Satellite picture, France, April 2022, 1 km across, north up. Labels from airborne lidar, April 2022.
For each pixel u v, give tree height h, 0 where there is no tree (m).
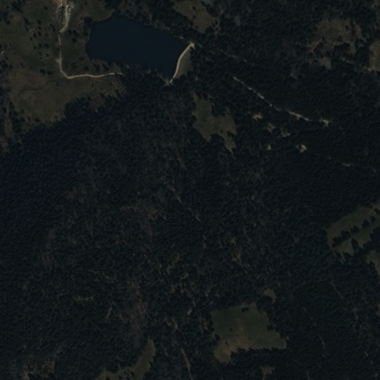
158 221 12
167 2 22
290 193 29
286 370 18
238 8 7
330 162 24
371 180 23
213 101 15
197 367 14
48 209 11
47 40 0
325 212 26
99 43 0
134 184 18
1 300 17
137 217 19
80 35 12
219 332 0
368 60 23
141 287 18
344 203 23
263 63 14
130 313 18
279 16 15
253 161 31
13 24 0
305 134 27
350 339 18
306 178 27
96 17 0
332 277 22
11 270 16
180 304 24
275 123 18
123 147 17
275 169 20
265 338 0
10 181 9
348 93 21
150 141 26
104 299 9
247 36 15
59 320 27
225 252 14
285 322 25
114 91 0
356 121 14
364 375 14
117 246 27
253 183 37
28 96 0
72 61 0
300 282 30
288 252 26
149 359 0
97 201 11
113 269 7
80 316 30
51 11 0
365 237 0
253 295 27
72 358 28
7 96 18
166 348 23
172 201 26
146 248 22
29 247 13
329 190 21
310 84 21
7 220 15
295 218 11
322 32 0
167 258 17
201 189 29
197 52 14
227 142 0
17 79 0
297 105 20
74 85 0
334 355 14
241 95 20
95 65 0
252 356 19
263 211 32
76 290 7
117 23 0
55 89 0
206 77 20
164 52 0
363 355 15
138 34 0
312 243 35
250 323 0
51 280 29
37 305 23
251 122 22
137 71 12
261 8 12
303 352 10
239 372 15
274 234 23
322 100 22
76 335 15
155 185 17
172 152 32
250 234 13
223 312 0
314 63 15
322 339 7
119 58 0
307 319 13
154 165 32
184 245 16
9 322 14
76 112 17
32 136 15
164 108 22
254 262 26
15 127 11
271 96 18
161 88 29
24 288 13
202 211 27
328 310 15
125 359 19
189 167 27
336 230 0
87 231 24
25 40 0
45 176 17
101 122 17
